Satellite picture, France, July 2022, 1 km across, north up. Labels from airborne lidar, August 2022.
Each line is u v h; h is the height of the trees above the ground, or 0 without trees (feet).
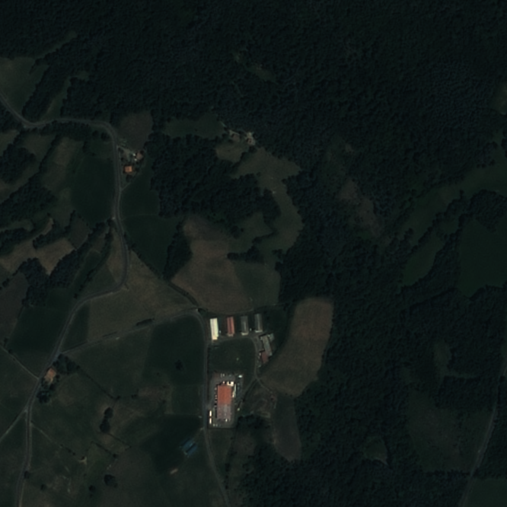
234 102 76
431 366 29
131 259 0
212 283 0
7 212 54
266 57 79
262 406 0
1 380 0
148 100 65
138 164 28
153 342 0
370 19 41
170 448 0
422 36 57
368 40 55
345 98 59
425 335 59
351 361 58
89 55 63
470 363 58
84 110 52
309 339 0
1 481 0
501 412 32
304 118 47
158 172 37
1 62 0
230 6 62
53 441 0
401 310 32
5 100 0
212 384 0
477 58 46
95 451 0
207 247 0
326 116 68
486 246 0
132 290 0
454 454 0
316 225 47
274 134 40
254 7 69
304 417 42
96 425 0
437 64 61
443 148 82
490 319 66
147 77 79
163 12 67
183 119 34
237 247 0
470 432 28
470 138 45
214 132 0
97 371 0
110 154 0
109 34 62
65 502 0
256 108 22
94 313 0
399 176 43
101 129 0
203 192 47
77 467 0
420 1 39
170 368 0
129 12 63
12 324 0
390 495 47
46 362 0
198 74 54
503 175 0
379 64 58
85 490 0
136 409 0
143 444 0
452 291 83
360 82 60
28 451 0
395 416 75
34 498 0
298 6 38
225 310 0
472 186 0
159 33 60
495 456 20
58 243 0
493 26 52
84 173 0
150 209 0
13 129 32
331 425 34
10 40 34
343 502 75
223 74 58
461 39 58
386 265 41
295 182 32
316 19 25
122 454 0
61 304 0
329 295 44
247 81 68
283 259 40
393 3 58
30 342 0
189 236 0
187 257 31
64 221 0
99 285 0
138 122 0
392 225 18
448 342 50
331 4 65
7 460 0
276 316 0
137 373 0
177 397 0
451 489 63
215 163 56
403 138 43
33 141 0
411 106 79
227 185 41
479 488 0
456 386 69
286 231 0
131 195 0
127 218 0
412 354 29
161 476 0
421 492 74
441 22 46
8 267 0
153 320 18
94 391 0
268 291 0
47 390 33
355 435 88
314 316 0
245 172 0
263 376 0
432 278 67
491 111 54
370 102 63
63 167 0
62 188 0
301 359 0
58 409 0
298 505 73
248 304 0
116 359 0
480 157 72
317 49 66
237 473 0
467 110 65
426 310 73
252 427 34
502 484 0
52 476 0
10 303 0
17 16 61
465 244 0
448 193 0
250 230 0
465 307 58
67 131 50
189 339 0
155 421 0
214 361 0
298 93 63
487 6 72
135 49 65
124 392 0
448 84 61
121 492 0
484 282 0
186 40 55
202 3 23
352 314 46
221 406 0
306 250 31
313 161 23
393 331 57
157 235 0
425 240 55
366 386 34
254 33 75
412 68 58
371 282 75
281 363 0
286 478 45
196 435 0
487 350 60
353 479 82
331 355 46
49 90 43
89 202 0
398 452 68
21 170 48
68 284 38
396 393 104
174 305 0
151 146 32
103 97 58
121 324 0
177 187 80
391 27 41
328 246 88
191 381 0
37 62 41
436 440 0
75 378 0
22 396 0
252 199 32
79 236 0
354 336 51
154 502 0
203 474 0
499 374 44
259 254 63
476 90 60
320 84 38
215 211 72
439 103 58
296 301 31
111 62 69
